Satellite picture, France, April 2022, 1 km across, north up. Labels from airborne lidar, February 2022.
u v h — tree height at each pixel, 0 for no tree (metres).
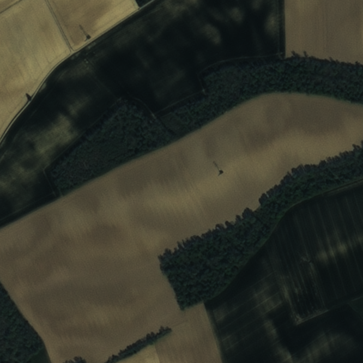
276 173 0
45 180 0
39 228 0
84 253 0
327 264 0
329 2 0
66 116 0
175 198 0
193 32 0
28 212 0
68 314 0
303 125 0
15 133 0
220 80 22
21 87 0
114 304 0
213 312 0
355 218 0
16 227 0
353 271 0
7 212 0
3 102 0
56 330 0
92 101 0
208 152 0
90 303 0
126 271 0
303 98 0
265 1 0
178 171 0
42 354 0
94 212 0
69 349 0
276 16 0
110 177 0
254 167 0
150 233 0
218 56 0
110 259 0
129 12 0
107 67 0
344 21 0
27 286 0
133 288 0
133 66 0
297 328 0
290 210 0
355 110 0
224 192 0
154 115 0
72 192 0
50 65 0
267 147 0
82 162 14
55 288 0
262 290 0
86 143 17
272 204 11
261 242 26
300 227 0
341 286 0
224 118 0
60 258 0
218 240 32
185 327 0
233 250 27
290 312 0
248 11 0
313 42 0
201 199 0
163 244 0
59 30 0
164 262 22
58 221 0
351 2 0
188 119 18
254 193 0
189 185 0
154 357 0
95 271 0
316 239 0
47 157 0
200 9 0
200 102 11
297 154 0
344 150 0
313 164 0
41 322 0
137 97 0
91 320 0
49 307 0
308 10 0
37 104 0
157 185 0
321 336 0
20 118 0
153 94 0
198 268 29
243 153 0
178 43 0
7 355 32
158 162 0
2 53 0
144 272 0
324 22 0
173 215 0
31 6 0
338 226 0
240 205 0
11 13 0
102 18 0
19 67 0
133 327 0
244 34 0
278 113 0
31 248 0
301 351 0
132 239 0
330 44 0
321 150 0
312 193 23
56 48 0
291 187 17
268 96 0
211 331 0
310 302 0
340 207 0
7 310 33
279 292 0
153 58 0
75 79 0
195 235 0
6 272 0
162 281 0
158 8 0
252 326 0
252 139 0
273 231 0
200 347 0
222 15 0
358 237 0
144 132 21
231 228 29
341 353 0
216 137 0
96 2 0
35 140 0
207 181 0
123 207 0
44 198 0
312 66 20
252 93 20
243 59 0
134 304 0
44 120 0
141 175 0
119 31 0
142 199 0
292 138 0
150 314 0
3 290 10
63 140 0
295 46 0
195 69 0
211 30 0
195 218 0
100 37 0
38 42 0
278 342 0
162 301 0
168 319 0
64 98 0
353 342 0
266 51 0
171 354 0
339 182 13
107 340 0
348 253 0
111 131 8
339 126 0
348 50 0
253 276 0
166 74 0
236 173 0
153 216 0
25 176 0
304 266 0
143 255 0
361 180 0
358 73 28
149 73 0
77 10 0
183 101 0
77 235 0
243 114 0
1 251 0
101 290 0
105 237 0
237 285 0
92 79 0
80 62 0
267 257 0
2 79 0
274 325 0
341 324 0
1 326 30
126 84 0
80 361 0
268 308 0
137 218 0
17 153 0
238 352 0
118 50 0
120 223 0
